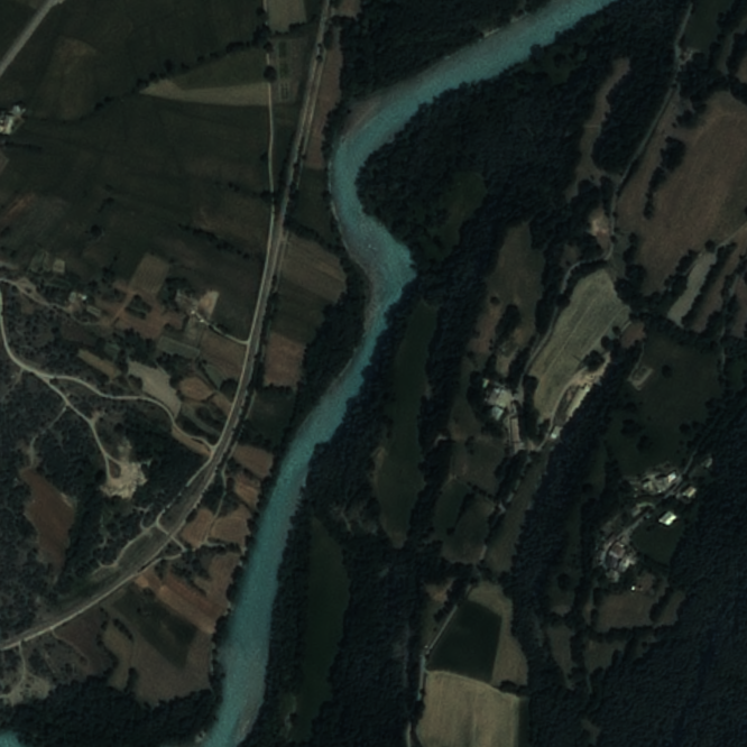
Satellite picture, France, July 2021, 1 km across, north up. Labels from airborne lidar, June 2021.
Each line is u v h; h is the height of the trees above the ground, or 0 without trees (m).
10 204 0
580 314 0
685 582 8
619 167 10
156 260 0
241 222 0
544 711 11
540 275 0
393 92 0
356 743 10
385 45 15
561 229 17
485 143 15
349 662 10
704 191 0
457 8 21
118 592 0
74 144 0
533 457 11
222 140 0
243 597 0
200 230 9
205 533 0
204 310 0
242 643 0
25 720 16
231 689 0
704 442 13
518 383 9
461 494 0
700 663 11
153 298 0
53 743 14
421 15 17
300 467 0
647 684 17
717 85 19
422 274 24
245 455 0
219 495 5
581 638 11
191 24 0
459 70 0
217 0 0
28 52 0
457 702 0
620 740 13
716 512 16
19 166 0
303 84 0
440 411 22
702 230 0
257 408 0
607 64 23
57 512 0
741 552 8
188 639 0
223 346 0
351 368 0
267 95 0
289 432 13
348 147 0
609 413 11
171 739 16
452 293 19
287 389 9
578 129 12
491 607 0
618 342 7
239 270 0
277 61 0
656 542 0
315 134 0
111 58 0
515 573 13
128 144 0
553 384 0
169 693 0
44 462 6
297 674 22
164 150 0
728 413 12
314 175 0
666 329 14
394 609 13
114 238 0
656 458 0
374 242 0
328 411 0
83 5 0
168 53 0
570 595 0
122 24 0
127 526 7
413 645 10
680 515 10
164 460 7
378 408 17
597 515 10
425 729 0
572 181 13
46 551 0
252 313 0
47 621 0
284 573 15
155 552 0
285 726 20
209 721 18
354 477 12
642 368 0
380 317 0
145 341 14
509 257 0
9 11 0
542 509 7
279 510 0
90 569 11
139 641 0
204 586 0
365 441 12
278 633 11
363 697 15
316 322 0
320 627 0
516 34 0
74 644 0
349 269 21
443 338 17
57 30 0
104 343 6
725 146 0
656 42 9
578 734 12
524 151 15
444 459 12
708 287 9
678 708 11
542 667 10
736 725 12
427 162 22
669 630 14
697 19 0
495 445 0
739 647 10
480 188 0
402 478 0
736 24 11
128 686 6
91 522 15
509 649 0
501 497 9
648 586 0
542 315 16
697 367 0
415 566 6
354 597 14
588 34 23
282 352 0
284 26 0
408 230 19
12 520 7
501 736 0
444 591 0
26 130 0
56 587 10
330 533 13
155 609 0
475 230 15
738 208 0
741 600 9
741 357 10
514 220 17
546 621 8
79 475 11
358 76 24
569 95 22
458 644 0
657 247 0
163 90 0
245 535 0
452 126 17
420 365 0
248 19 0
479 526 0
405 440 0
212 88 0
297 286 0
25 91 0
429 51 11
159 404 0
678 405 0
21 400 6
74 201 0
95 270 0
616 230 8
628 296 23
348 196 0
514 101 18
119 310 0
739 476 18
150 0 0
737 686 10
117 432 11
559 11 0
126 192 0
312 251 0
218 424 8
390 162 16
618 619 0
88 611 0
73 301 0
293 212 19
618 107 21
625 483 11
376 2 10
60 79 0
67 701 18
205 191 0
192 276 0
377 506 9
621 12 18
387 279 0
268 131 0
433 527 12
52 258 0
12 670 6
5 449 9
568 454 19
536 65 20
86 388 0
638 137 12
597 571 8
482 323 0
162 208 0
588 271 12
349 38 21
